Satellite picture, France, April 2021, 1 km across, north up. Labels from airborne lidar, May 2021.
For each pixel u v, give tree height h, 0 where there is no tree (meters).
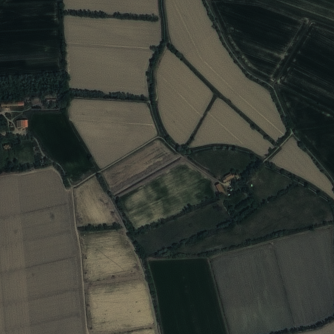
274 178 0
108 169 0
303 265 0
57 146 0
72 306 0
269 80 9
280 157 0
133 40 0
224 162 0
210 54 0
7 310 0
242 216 12
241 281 0
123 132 0
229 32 0
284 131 0
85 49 0
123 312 0
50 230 0
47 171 0
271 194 0
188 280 0
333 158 0
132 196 0
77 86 0
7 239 0
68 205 0
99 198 0
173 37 0
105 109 0
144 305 0
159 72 0
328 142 0
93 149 0
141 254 17
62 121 0
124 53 0
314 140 0
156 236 0
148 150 0
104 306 0
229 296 0
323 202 0
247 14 0
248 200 13
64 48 13
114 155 0
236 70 0
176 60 0
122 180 0
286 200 0
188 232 0
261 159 7
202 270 0
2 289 0
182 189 0
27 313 0
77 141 0
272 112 0
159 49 14
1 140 20
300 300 0
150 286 9
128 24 0
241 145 0
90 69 0
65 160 0
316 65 0
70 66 0
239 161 0
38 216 0
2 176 0
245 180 15
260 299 0
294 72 0
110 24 0
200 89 0
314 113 0
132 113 0
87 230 9
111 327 0
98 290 0
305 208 0
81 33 0
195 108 0
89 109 0
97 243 0
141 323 0
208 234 8
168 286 0
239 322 0
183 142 0
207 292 0
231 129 0
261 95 0
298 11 0
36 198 0
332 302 0
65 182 9
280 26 0
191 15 0
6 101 8
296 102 0
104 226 10
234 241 0
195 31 0
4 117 9
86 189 0
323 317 0
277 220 0
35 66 0
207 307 0
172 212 0
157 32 0
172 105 0
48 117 0
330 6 0
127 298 0
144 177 0
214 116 0
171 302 0
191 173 0
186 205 0
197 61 0
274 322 0
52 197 0
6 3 0
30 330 0
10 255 0
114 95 15
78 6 0
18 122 0
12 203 0
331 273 0
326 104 0
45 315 0
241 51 0
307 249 0
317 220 0
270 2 0
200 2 0
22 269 0
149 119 0
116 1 0
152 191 0
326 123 0
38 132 0
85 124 0
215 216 0
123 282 0
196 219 0
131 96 13
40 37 0
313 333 0
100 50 0
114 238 0
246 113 0
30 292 0
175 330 0
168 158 0
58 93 16
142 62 0
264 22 0
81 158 0
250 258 0
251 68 0
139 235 10
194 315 0
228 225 14
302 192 0
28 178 0
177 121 0
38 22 0
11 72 0
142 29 0
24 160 0
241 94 0
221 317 0
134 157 0
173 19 0
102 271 0
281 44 0
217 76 0
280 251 0
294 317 0
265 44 0
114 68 0
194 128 0
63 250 0
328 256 0
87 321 0
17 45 0
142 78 0
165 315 0
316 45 0
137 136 0
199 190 0
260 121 0
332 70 0
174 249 12
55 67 0
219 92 0
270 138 12
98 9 0
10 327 0
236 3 0
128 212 0
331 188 0
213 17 11
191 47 0
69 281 0
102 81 0
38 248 0
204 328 0
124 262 0
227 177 0
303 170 0
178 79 0
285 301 0
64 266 0
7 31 0
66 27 0
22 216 0
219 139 0
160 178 0
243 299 0
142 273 0
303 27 0
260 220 0
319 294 0
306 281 0
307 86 0
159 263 0
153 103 17
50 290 0
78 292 0
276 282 0
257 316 0
